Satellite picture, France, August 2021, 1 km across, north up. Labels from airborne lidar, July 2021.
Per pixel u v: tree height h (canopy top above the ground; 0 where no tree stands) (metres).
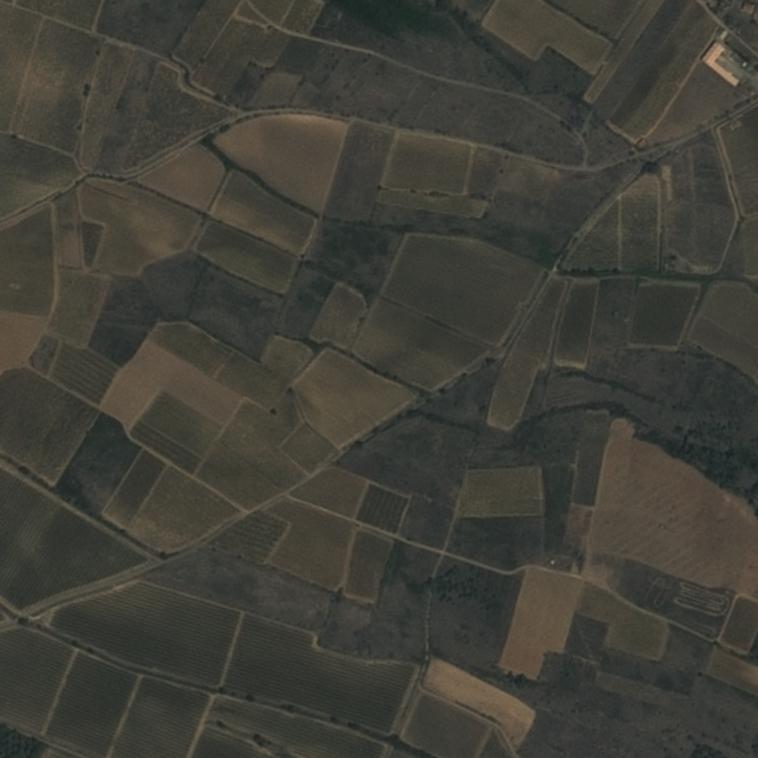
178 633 0
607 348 0
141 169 0
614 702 0
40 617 0
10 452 0
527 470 0
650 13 0
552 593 0
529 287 0
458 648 0
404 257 0
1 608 0
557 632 0
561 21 0
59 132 0
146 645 0
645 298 0
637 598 0
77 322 0
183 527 0
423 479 0
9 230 0
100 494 0
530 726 0
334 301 0
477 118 0
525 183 0
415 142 0
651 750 0
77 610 0
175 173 0
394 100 0
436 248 0
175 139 0
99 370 0
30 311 0
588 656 0
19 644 0
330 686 0
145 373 0
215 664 0
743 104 6
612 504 0
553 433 0
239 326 0
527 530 0
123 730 0
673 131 0
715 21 0
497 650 0
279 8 0
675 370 0
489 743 0
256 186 0
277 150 0
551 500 0
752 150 0
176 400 0
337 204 0
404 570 0
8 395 0
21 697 0
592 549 0
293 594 0
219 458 0
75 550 0
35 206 0
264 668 0
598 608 0
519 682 12
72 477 0
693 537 0
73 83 0
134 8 0
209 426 0
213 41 0
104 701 0
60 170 0
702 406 0
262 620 0
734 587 0
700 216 0
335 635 0
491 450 0
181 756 0
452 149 0
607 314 0
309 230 0
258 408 0
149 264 0
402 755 0
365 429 0
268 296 0
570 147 0
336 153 0
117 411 0
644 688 0
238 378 0
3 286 0
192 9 0
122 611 0
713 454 18
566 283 0
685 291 0
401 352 0
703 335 0
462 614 0
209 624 0
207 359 0
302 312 0
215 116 0
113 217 0
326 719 0
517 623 0
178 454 0
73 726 0
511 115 0
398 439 0
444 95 0
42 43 0
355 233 0
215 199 0
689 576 0
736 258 0
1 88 0
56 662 0
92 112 0
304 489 0
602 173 0
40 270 0
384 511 0
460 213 0
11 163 0
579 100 6
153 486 0
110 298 0
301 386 0
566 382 0
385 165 0
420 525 0
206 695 0
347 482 0
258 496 0
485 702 0
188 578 0
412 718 0
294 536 0
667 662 0
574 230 0
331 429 0
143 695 0
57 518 0
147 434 0
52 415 0
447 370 0
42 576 0
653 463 0
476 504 0
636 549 0
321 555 0
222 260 0
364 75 0
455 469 0
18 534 0
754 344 0
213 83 0
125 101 0
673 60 0
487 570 0
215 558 0
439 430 0
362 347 0
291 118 0
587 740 0
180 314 0
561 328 0
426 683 0
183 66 8
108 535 0
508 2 0
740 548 0
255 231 0
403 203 0
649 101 0
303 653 0
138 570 0
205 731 0
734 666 0
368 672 0
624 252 0
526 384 0
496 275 0
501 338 0
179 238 0
